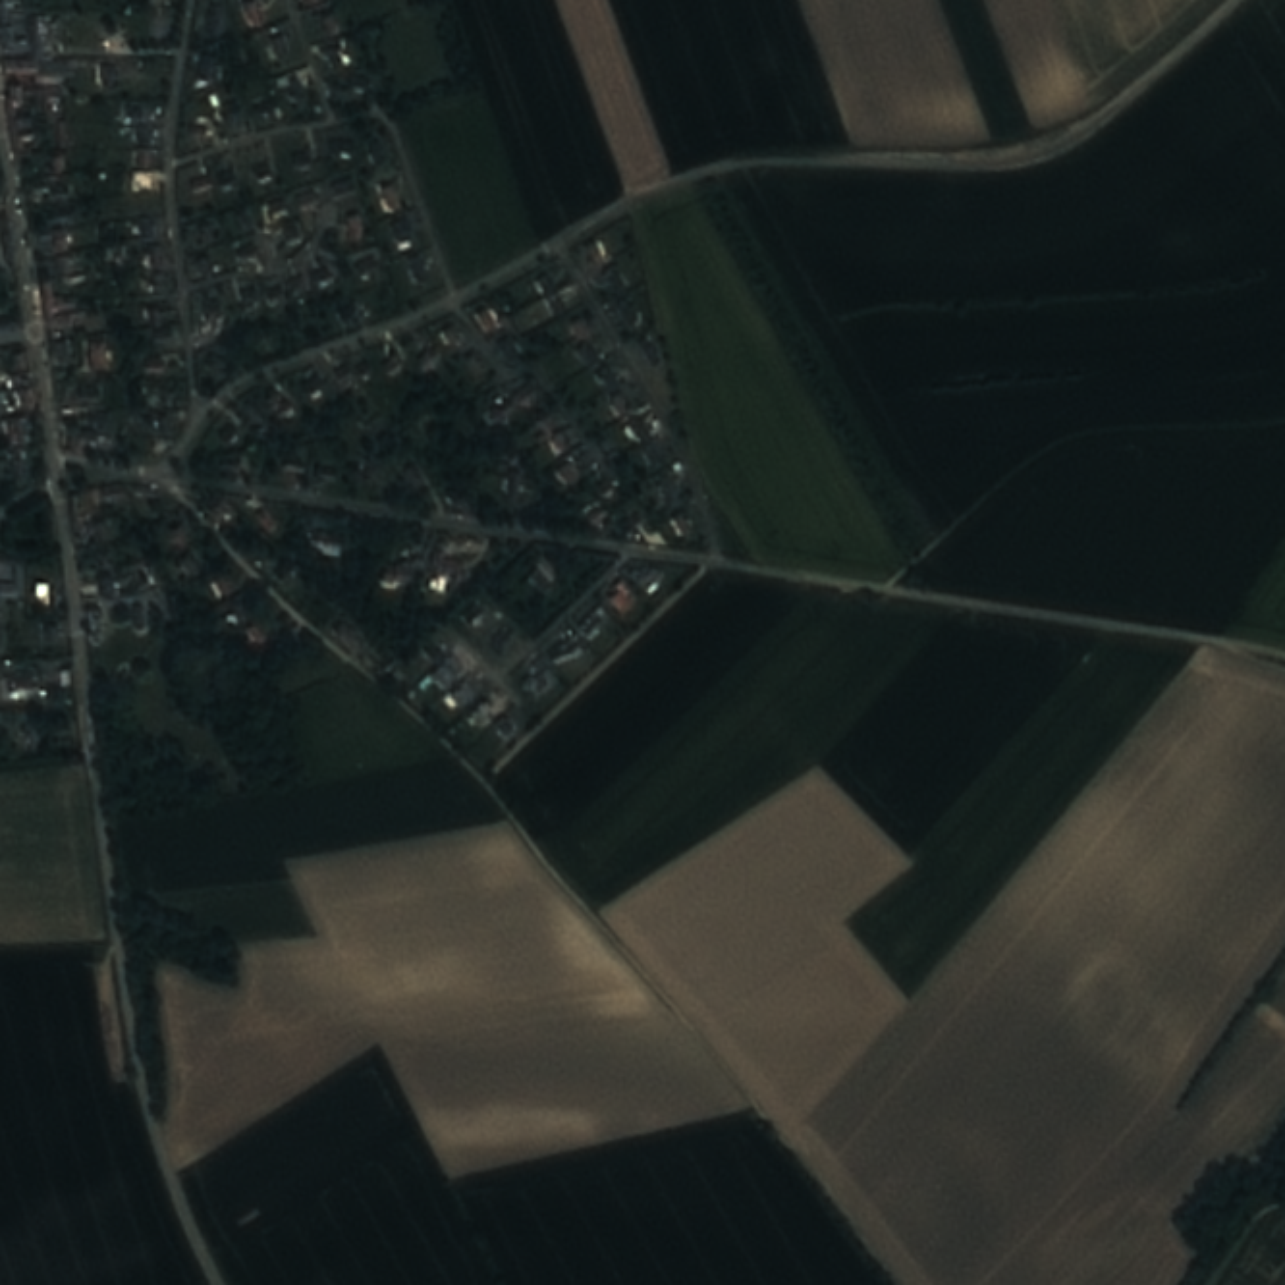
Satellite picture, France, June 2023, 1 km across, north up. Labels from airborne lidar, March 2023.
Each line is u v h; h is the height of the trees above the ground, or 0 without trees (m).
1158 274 0
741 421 0
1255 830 0
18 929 0
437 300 0
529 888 0
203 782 20
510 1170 0
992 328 0
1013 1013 0
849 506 0
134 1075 8
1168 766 0
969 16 0
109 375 14
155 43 8
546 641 0
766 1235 0
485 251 0
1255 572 0
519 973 0
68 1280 0
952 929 0
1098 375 0
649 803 0
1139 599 0
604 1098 0
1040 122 0
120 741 23
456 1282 0
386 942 0
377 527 17
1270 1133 0
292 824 0
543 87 0
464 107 0
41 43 0
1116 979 0
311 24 0
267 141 0
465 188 0
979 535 0
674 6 0
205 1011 0
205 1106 0
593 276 0
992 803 0
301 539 10
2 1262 0
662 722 0
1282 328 0
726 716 0
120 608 12
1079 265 0
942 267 0
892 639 0
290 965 0
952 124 0
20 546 9
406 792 0
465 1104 0
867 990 0
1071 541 0
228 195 0
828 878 0
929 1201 0
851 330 0
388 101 10
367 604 14
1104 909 0
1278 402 0
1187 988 0
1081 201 0
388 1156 0
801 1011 0
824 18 0
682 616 0
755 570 0
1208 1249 10
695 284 0
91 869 0
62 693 11
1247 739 0
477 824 0
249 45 9
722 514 0
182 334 0
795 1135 0
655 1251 0
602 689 0
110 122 0
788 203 0
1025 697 0
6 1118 0
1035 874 0
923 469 0
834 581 0
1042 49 0
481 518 16
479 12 0
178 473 10
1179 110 0
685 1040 0
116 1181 0
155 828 0
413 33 0
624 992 0
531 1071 0
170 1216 0
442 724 7
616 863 0
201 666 21
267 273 0
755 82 0
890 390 0
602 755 0
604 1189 0
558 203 0
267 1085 0
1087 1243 0
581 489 14
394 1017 0
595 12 0
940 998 0
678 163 0
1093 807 0
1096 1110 0
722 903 0
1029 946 0
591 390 0
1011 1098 0
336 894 0
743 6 0
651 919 0
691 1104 0
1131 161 0
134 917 18
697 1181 0
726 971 0
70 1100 0
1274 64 0
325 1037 0
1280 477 0
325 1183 0
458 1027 0
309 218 0
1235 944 0
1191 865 0
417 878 0
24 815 0
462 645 0
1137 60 0
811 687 0
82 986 0
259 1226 0
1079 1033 0
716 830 0
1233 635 0
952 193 0
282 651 15
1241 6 0
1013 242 0
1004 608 0
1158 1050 0
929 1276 0
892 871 0
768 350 0
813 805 0
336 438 14
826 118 0
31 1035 0
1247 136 0
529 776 0
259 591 19
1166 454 0
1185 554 0
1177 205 0
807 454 0
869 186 0
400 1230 0
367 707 0
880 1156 0
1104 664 0
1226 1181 19
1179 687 0
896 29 0
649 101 0
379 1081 0
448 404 16
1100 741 0
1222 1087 0
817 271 0
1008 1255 0
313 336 13
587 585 6
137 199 0
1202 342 0
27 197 6
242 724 16
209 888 0
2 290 15
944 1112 0
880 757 0
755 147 0
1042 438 0
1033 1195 0
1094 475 0
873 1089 0
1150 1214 0
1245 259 0
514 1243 0
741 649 0
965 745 0
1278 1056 0
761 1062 0
